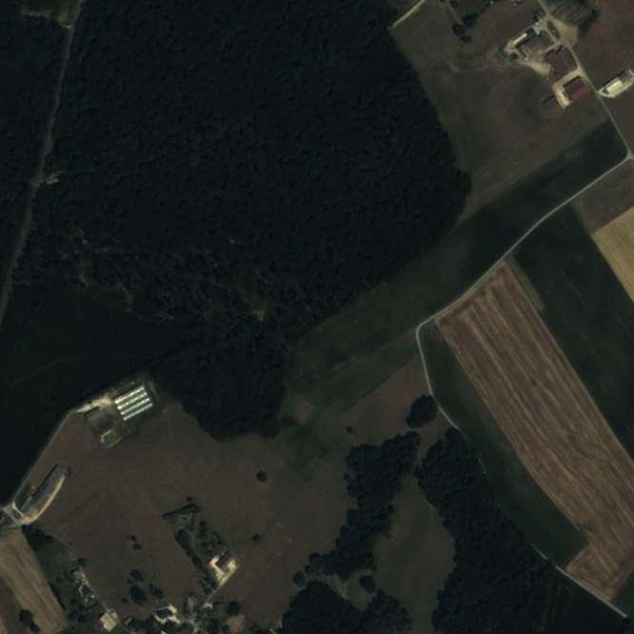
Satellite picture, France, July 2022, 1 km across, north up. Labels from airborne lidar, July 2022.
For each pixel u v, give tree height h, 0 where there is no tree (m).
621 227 0
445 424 0
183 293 27
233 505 0
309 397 0
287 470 0
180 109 32
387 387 0
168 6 34
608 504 0
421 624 0
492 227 0
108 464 0
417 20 0
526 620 27
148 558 0
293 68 28
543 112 0
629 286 0
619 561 0
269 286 29
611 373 0
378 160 32
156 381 18
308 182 31
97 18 25
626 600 0
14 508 0
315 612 24
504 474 0
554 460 0
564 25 0
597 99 0
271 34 30
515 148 0
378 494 25
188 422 0
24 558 0
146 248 33
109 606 0
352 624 27
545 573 26
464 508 26
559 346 0
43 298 7
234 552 0
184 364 27
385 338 0
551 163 0
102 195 31
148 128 32
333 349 0
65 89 14
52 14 0
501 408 0
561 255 0
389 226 31
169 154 30
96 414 0
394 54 24
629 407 0
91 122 32
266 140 27
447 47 0
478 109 0
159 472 0
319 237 25
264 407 15
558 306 0
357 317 0
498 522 29
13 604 0
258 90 32
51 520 0
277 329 27
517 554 31
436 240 28
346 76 25
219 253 33
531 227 0
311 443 0
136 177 30
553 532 0
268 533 0
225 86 32
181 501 0
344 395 0
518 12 0
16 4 19
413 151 31
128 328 8
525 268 0
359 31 22
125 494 0
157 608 0
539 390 0
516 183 0
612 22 0
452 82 0
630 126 0
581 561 0
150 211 29
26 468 8
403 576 0
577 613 0
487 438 0
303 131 25
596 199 0
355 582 0
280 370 22
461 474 21
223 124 27
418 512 0
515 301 0
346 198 30
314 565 15
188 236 31
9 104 23
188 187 31
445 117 0
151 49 35
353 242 31
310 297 28
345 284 30
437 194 26
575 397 0
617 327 0
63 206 28
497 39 0
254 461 0
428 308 0
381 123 32
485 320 0
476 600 32
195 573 0
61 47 19
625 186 0
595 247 0
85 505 0
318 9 30
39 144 19
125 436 0
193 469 0
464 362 0
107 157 32
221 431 25
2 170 25
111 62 32
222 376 30
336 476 0
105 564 0
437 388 0
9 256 10
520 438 0
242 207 29
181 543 15
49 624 0
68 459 0
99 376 6
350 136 33
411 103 31
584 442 0
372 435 0
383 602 22
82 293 7
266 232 30
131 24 30
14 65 30
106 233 31
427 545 0
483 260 0
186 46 32
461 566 27
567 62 0
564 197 0
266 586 0
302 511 0
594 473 0
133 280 31
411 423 18
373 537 19
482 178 0
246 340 30
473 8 0
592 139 0
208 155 31
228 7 32
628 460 0
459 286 0
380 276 24
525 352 0
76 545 0
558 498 0
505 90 0
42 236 22
